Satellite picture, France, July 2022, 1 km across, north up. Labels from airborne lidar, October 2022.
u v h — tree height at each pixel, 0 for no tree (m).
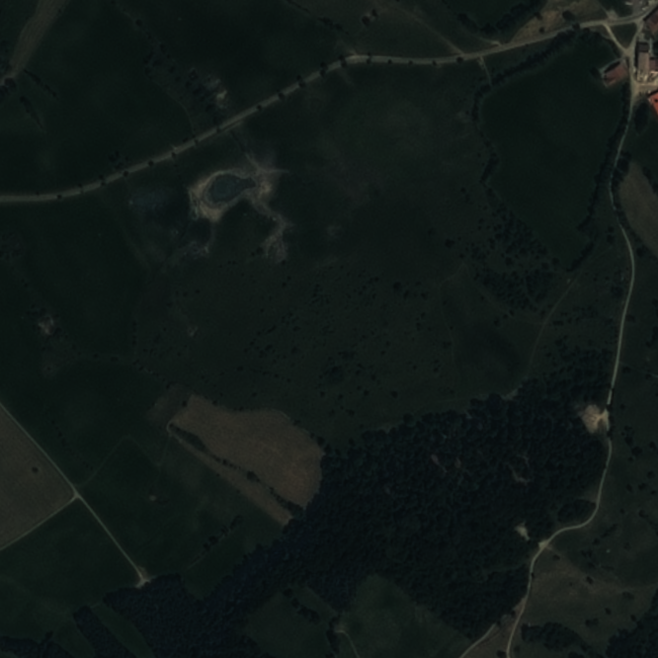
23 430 0
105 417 0
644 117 17
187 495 0
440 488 23
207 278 0
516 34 0
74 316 0
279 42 0
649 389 0
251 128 0
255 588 31
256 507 0
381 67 0
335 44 0
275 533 0
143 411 0
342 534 29
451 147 0
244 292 0
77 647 0
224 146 0
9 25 0
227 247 0
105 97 0
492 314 0
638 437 0
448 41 0
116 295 0
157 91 0
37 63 0
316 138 0
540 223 0
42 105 0
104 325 0
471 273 0
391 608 0
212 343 0
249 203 0
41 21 0
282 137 0
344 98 0
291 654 0
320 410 0
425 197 0
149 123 0
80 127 0
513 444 31
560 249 0
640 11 0
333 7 0
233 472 0
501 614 15
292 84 0
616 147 13
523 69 13
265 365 0
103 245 0
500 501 19
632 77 0
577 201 0
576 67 0
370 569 25
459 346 0
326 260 0
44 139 0
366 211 0
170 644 28
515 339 0
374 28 0
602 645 0
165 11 0
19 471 0
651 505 0
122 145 0
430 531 23
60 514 0
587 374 9
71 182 0
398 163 0
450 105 0
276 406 0
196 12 0
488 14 0
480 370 0
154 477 0
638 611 0
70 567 0
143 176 0
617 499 0
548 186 0
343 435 0
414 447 19
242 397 0
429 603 11
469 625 12
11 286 0
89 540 0
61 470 0
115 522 0
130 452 0
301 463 0
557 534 0
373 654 0
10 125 0
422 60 0
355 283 0
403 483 30
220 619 23
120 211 0
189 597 21
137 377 0
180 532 0
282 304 0
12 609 0
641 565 0
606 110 0
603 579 0
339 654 18
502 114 0
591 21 0
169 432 0
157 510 0
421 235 0
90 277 0
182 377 0
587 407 0
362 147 0
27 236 0
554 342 0
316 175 0
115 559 0
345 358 7
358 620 0
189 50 0
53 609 0
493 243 12
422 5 0
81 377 0
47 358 0
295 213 0
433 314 0
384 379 0
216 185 0
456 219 0
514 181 0
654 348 7
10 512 0
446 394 0
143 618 23
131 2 0
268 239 0
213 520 0
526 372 0
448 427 23
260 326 0
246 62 0
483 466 23
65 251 0
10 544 0
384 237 0
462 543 19
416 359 0
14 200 0
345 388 0
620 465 0
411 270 0
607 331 0
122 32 0
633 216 0
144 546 0
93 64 0
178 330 0
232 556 0
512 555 10
